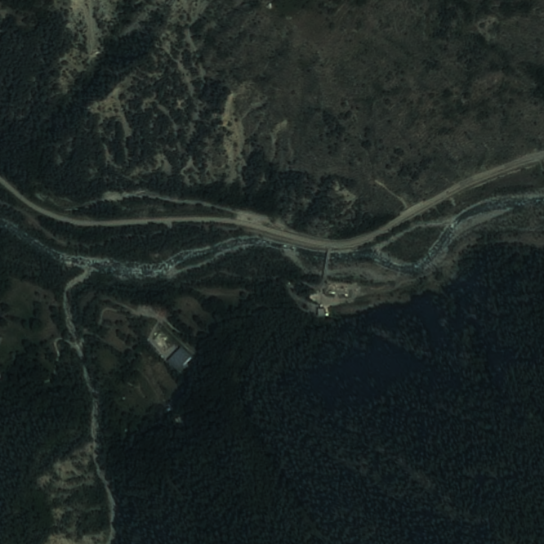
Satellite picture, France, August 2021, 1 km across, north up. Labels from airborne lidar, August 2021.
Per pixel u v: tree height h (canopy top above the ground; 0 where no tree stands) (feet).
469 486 81
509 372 72
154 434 53
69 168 75
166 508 59
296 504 25
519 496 79
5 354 0
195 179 20
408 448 38
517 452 64
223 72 30
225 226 22
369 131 55
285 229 0
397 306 38
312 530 39
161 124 75
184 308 0
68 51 29
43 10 22
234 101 19
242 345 52
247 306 43
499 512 56
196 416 73
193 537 32
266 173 42
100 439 23
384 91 18
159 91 56
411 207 0
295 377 33
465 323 50
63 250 26
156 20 29
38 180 59
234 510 46
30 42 68
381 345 26
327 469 71
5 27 72
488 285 36
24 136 99
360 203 24
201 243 29
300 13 0
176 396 28
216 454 46
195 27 30
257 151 41
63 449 50
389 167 61
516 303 28
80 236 32
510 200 0
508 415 31
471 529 48
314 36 0
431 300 22
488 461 71
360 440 18
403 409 55
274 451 35
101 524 25
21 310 0
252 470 22
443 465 73
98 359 25
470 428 64
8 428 92
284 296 55
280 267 26
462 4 43
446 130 28
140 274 0
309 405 33
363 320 37
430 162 34
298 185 63
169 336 0
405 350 44
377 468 35
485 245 22
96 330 32
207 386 63
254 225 0
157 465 66
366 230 53
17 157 89
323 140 29
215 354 60
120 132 71
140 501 31
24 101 45
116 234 61
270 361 64
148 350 44
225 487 42
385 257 0
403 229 40
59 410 85
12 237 22
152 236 41
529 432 73
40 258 24
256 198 49
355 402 41
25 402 33
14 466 72
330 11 42
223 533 30
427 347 43
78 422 21
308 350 61
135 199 41
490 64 19
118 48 37
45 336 0
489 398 36
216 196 52
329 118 47
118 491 32
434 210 24
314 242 0
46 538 29
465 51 28
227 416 61
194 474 39
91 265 0
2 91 69
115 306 33
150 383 0
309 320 46
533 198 0
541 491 62
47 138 48
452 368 35
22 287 0
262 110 23
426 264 0
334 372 22
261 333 58
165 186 54
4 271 35
